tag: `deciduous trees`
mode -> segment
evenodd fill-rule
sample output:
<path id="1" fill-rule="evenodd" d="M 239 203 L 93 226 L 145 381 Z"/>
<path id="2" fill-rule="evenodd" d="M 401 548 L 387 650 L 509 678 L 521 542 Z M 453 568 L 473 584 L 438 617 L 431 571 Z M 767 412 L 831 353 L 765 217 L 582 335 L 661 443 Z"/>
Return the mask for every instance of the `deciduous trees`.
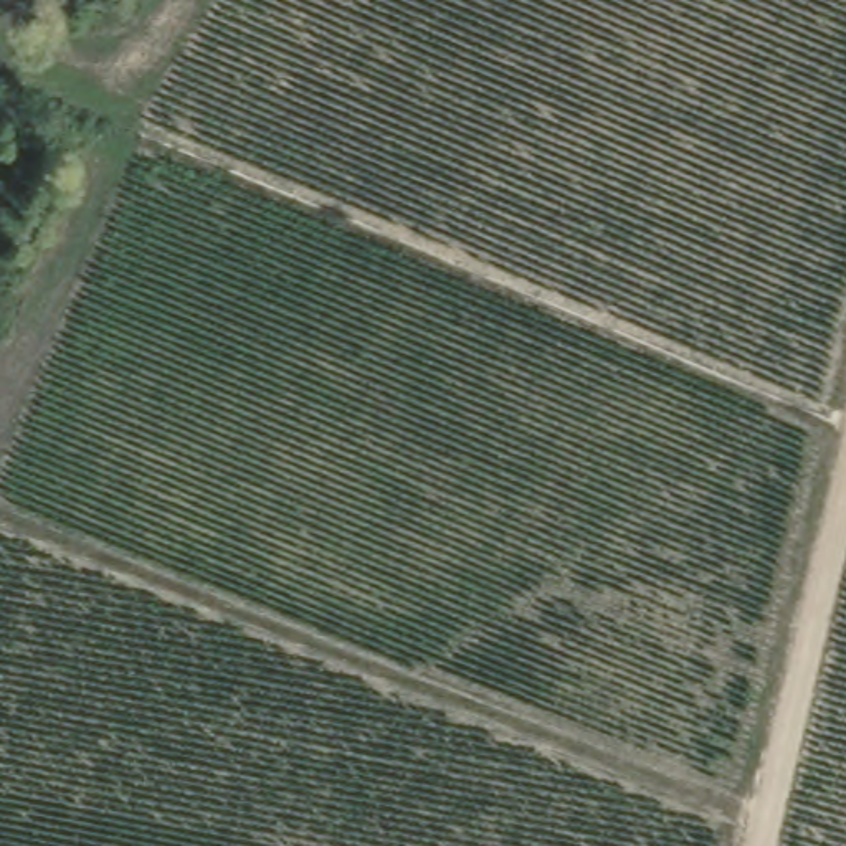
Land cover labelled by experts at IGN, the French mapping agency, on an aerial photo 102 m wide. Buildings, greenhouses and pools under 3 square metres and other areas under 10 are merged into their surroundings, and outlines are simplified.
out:
<path id="1" fill-rule="evenodd" d="M 36 86 L 23 86 L 20 76 L 13 66 L 0 63 L 0 221 L 13 215 L 17 221 L 23 221 L 40 182 L 59 169 L 56 159 L 46 155 L 43 142 L 50 135 L 46 93 Z"/>

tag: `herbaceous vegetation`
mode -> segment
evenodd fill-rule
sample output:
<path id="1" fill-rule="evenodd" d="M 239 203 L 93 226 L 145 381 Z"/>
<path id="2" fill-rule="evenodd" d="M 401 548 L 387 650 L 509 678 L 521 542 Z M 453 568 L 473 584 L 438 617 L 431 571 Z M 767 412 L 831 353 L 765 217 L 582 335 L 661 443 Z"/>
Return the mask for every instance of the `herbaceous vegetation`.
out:
<path id="1" fill-rule="evenodd" d="M 651 796 L 664 810 L 694 813 L 711 826 L 717 846 L 740 846 L 734 839 L 737 816 L 744 800 L 753 793 L 753 780 L 734 770 L 727 760 L 714 760 L 714 777 L 701 777 L 681 757 L 601 737 L 595 730 L 542 714 L 516 697 L 446 674 L 433 664 L 397 664 L 360 644 L 340 641 L 304 621 L 245 601 L 231 592 L 145 562 L 93 535 L 63 529 L 36 512 L 13 506 L 0 492 L 0 535 L 30 542 L 33 549 L 50 552 L 63 565 L 99 572 L 102 578 L 149 592 L 169 605 L 192 608 L 198 618 L 235 625 L 241 635 L 258 638 L 261 644 L 317 661 L 327 671 L 350 674 L 377 694 L 383 694 L 387 701 L 443 711 L 456 724 L 482 727 L 499 744 L 529 747 L 549 760 L 568 763 L 578 773 L 618 783 L 625 793 Z"/>
<path id="2" fill-rule="evenodd" d="M 23 440 L 23 420 L 40 387 L 40 370 L 46 370 L 66 330 L 69 307 L 83 291 L 89 261 L 106 231 L 102 215 L 116 212 L 122 169 L 135 155 L 135 145 L 142 139 L 142 112 L 132 109 L 129 99 L 106 93 L 106 86 L 96 76 L 83 76 L 66 63 L 56 63 L 46 73 L 20 76 L 23 86 L 36 86 L 46 93 L 50 135 L 43 142 L 46 155 L 56 159 L 59 169 L 40 182 L 23 221 L 17 221 L 13 215 L 0 221 L 0 258 L 17 258 L 23 274 L 30 278 L 30 284 L 13 301 L 13 337 L 0 340 L 0 482 L 13 459 L 13 449 Z"/>

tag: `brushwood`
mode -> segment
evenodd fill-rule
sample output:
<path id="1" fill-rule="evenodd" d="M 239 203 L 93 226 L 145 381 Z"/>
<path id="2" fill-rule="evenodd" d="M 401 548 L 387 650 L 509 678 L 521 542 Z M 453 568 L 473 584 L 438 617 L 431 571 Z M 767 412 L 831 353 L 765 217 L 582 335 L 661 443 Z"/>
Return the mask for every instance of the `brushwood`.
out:
<path id="1" fill-rule="evenodd" d="M 20 76 L 46 73 L 56 63 L 56 53 L 76 46 L 93 23 L 116 26 L 119 20 L 132 20 L 139 13 L 155 17 L 165 0 L 0 0 L 0 63 L 13 66 Z"/>
<path id="2" fill-rule="evenodd" d="M 13 301 L 30 284 L 30 278 L 23 274 L 17 258 L 0 258 L 0 340 L 13 337 Z"/>

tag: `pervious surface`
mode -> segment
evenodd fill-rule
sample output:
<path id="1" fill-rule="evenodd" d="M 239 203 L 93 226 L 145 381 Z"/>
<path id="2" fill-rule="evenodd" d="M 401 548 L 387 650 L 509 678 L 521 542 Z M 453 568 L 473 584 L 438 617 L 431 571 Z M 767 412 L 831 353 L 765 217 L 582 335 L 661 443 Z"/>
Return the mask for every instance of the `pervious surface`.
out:
<path id="1" fill-rule="evenodd" d="M 803 601 L 793 618 L 793 641 L 770 720 L 770 740 L 763 747 L 753 780 L 753 793 L 744 800 L 737 816 L 734 839 L 740 846 L 777 846 L 820 677 L 820 658 L 846 565 L 846 406 L 829 413 L 829 423 L 843 436 L 839 456 L 829 476 L 826 509 L 810 555 Z"/>

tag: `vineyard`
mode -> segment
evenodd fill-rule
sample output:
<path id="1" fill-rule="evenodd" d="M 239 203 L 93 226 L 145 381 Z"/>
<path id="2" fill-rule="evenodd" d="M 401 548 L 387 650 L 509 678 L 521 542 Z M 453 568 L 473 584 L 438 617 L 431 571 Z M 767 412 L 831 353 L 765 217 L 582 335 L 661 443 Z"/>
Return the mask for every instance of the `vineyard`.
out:
<path id="1" fill-rule="evenodd" d="M 63 529 L 93 535 L 145 562 L 231 592 L 245 601 L 304 621 L 340 641 L 360 644 L 397 664 L 433 664 L 446 674 L 516 697 L 542 714 L 595 730 L 601 737 L 681 757 L 701 777 L 714 777 L 714 760 L 727 760 L 734 770 L 753 780 L 763 747 L 770 740 L 770 720 L 793 641 L 793 618 L 803 601 L 810 555 L 826 509 L 829 476 L 839 456 L 843 436 L 829 423 L 829 413 L 846 406 L 846 0 L 165 0 L 155 17 L 139 13 L 132 20 L 119 20 L 116 26 L 93 23 L 76 46 L 56 53 L 56 63 L 66 63 L 83 76 L 96 76 L 106 86 L 106 93 L 129 99 L 132 109 L 142 112 L 142 139 L 135 145 L 135 155 L 122 169 L 116 212 L 102 215 L 106 231 L 89 261 L 83 291 L 69 307 L 66 330 L 46 370 L 40 370 L 40 387 L 23 420 L 23 440 L 13 449 L 13 459 L 0 482 L 0 492 L 13 506 L 36 512 Z"/>
<path id="2" fill-rule="evenodd" d="M 846 846 L 846 565 L 820 658 L 820 677 L 777 846 Z"/>
<path id="3" fill-rule="evenodd" d="M 30 542 L 0 535 L 0 846 L 717 846 L 711 826 L 694 813 L 664 810 L 651 796 L 625 793 L 618 783 L 578 773 L 568 763 L 549 760 L 529 747 L 499 744 L 482 727 L 456 724 L 443 711 L 387 701 L 383 694 L 377 694 L 350 674 L 327 671 L 317 661 L 261 644 L 258 638 L 241 635 L 235 625 L 198 618 L 192 608 L 169 605 L 149 592 L 102 578 L 99 572 L 63 565 L 50 552 L 33 549 Z"/>

